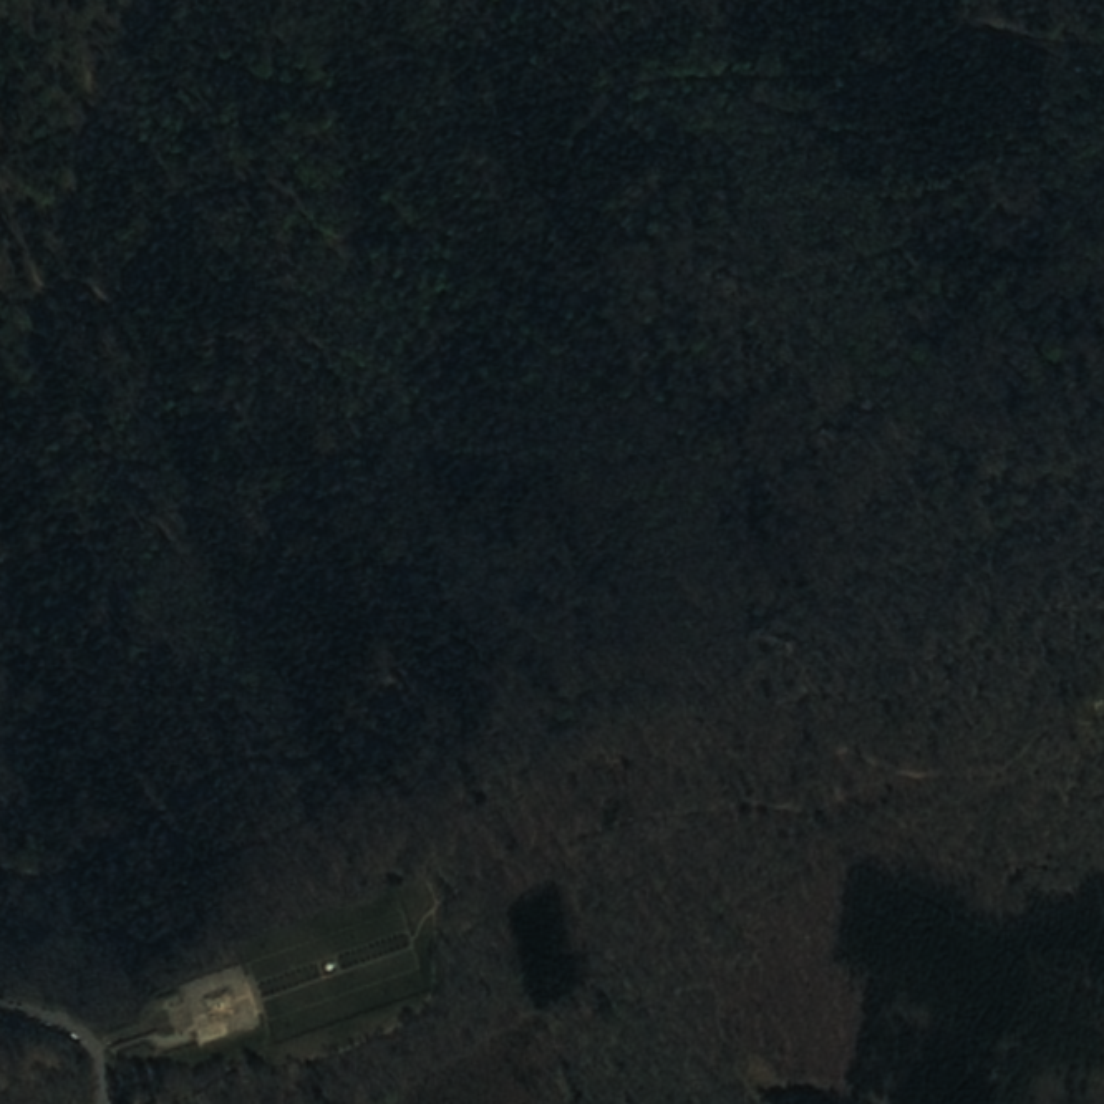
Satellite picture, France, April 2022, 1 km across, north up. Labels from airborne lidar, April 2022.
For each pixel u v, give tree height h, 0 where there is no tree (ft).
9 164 79
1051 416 73
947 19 78
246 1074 59
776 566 87
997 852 40
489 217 95
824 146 82
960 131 80
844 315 93
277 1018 0
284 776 78
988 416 66
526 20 79
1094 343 75
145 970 81
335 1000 0
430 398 103
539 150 92
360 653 88
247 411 88
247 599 65
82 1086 52
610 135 74
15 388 114
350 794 66
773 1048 53
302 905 57
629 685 40
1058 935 50
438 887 50
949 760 30
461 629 77
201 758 68
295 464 87
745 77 85
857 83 106
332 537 96
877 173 92
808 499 72
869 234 97
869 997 42
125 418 103
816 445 52
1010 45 52
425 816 67
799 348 45
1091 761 42
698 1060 73
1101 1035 50
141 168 81
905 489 56
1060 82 54
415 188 77
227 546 96
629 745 40
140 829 30
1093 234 88
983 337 77
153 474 71
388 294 114
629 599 78
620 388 86
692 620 75
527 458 85
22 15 98
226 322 84
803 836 56
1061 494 68
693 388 58
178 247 79
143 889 98
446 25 75
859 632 59
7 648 96
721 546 73
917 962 46
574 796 51
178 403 91
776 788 49
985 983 52
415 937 0
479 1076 25
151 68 39
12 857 98
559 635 77
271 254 73
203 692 93
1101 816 38
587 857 61
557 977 46
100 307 94
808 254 80
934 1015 44
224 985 0
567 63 88
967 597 50
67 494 99
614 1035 76
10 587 36
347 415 66
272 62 82
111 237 105
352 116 94
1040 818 40
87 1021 46
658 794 52
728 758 47
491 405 86
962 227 66
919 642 39
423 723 69
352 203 73
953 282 89
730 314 33
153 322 86
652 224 32
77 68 99
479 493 74
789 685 31
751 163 92
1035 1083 41
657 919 64
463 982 83
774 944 34
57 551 97
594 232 64
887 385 87
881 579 39
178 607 92
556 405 98
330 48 90
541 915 39
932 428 75
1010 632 39
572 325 87
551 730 34
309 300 79
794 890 42
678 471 86
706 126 71
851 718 47
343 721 75
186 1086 41
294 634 112
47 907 74
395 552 91
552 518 73
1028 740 30
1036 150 80
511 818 70
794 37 96
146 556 82
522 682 60
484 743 52
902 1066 47
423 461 109
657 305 26
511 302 99
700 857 63
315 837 85
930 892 46
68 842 100
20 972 91
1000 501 61
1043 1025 54
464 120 73
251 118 92
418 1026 62
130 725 88
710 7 99
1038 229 76
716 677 53
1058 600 35
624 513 110
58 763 102
